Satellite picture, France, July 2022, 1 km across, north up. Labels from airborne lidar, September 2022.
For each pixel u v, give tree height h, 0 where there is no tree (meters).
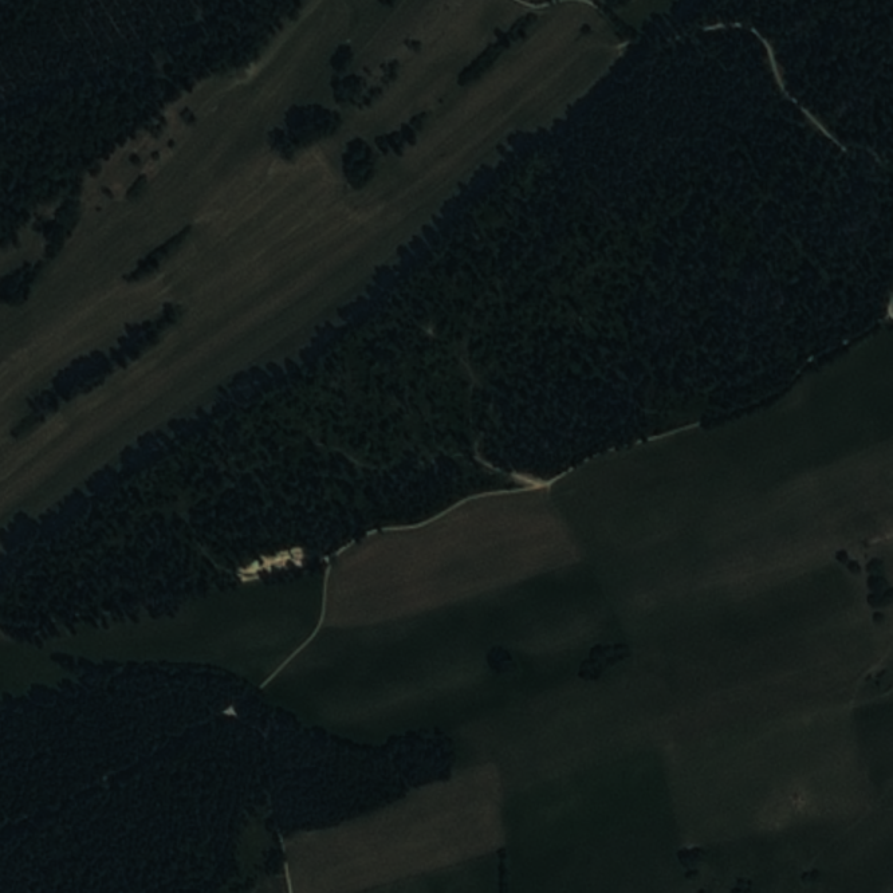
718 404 10
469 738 0
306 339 0
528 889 0
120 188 0
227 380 0
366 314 27
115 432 0
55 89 34
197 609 0
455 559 0
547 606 0
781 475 0
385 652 0
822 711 0
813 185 8
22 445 0
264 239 0
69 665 25
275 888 0
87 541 7
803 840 0
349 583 0
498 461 24
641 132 23
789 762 0
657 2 0
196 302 0
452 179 0
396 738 9
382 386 12
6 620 16
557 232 26
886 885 0
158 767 22
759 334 23
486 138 0
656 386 22
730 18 19
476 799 0
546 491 0
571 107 0
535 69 0
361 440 17
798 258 11
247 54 20
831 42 28
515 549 0
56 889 32
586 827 0
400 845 0
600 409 21
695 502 0
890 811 0
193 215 0
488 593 0
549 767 0
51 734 22
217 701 22
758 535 0
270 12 22
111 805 29
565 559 0
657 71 25
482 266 8
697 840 0
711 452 0
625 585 0
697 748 0
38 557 21
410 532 0
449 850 0
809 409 0
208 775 19
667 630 0
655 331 35
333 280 0
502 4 0
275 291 0
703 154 20
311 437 0
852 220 37
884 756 0
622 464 0
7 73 16
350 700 0
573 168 26
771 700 0
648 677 0
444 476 20
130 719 23
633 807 0
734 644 0
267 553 7
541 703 0
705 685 0
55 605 14
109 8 16
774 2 14
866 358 0
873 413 0
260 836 0
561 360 16
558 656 0
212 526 9
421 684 0
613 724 0
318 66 0
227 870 22
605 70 0
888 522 0
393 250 0
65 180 31
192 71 28
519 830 0
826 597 0
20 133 25
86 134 30
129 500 31
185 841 24
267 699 11
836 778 0
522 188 28
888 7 7
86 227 0
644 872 0
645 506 0
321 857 0
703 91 20
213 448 12
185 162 0
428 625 0
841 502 0
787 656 0
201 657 0
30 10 9
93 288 0
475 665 0
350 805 23
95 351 0
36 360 0
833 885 0
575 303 29
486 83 0
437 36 0
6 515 0
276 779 20
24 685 0
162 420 0
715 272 26
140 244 0
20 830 28
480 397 6
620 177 25
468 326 15
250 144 0
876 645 0
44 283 0
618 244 12
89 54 19
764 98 27
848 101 25
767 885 0
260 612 0
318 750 28
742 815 0
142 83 26
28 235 0
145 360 0
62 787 20
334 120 8
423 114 7
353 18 0
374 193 0
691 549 0
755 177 26
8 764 23
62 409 0
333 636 0
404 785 20
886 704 0
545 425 7
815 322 18
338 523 19
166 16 18
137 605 29
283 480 7
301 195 0
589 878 0
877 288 20
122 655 0
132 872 34
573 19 0
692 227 36
